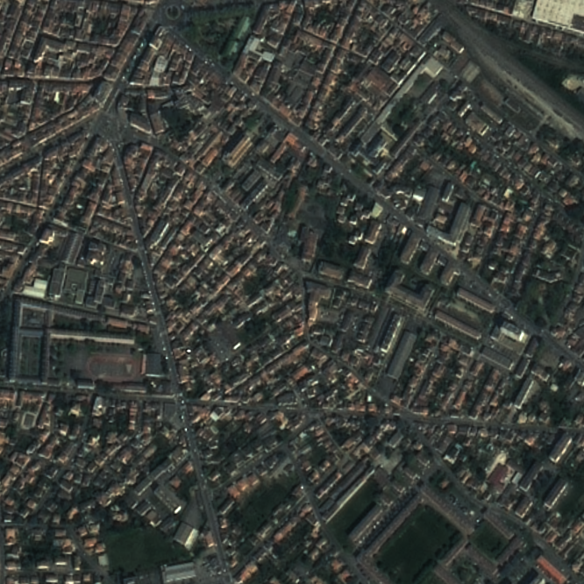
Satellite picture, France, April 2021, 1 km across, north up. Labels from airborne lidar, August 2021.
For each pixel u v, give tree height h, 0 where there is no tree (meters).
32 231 0
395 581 10
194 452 0
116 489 0
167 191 0
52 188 0
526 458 8
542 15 0
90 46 0
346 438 7
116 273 6
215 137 0
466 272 0
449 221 8
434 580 8
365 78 0
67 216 7
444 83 12
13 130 0
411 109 9
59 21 0
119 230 0
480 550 11
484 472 12
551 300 10
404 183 16
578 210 18
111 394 12
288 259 7
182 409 0
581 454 0
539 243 6
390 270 9
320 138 0
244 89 0
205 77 0
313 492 0
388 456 8
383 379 0
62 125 0
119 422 9
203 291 0
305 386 0
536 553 14
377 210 0
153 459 7
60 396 11
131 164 0
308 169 12
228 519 8
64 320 11
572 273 10
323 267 0
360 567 7
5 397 0
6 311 20
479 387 8
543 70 12
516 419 7
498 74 0
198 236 0
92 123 0
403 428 14
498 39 0
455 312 11
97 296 0
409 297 0
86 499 7
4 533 8
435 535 0
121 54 0
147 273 0
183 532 0
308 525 5
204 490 0
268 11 0
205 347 7
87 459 7
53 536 7
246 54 0
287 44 0
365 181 0
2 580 0
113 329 7
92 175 6
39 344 7
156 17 0
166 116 16
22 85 0
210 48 16
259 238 0
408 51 0
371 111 0
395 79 0
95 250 0
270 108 0
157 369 0
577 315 0
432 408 8
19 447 9
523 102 0
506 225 0
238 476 0
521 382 6
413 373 6
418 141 0
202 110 0
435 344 14
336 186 14
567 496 0
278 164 13
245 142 0
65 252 0
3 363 15
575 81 0
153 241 0
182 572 0
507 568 19
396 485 0
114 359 0
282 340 0
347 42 0
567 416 11
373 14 0
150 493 0
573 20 0
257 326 20
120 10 0
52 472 0
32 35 0
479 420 0
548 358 0
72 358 0
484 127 0
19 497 6
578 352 0
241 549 7
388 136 0
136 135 0
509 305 0
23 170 0
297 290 0
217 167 11
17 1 0
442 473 10
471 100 0
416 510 12
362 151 0
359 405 0
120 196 0
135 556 0
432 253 0
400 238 8
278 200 0
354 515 0
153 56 0
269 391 6
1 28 0
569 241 8
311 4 0
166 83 0
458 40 8
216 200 0
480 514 0
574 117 0
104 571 0
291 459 0
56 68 0
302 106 0
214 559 0
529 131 0
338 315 0
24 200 0
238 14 19
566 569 0
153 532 0
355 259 18
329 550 0
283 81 10
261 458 0
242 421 6
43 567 0
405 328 0
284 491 0
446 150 9
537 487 25
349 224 0
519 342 0
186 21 0
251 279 6
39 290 0
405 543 0
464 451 7
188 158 0
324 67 0
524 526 0
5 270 0
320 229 17
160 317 0
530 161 7
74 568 0
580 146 15
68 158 7
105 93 0
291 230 7
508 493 0
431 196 0
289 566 7
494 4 0
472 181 0
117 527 18
